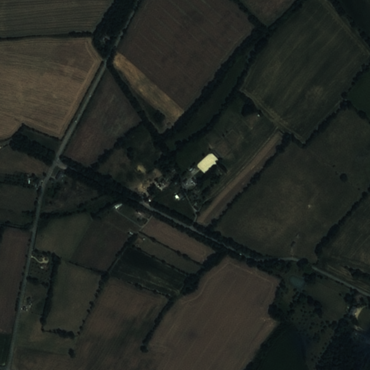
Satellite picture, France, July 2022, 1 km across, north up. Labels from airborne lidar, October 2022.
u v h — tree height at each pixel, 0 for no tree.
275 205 0
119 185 18
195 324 0
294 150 0
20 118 0
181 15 0
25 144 19
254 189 0
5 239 0
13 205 0
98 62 0
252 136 0
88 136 0
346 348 14
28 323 0
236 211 0
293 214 0
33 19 0
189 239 0
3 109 0
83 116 6
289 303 0
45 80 0
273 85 0
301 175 0
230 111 0
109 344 0
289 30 0
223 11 0
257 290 0
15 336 0
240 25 0
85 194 0
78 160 0
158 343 0
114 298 0
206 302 0
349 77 0
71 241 0
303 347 9
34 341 0
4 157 0
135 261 0
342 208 0
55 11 0
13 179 6
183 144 17
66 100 0
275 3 0
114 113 0
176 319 0
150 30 0
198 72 0
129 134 14
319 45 0
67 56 0
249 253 14
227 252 13
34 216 14
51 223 0
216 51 0
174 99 0
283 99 0
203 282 0
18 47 0
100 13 0
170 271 0
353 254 0
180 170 11
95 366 0
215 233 19
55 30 0
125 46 0
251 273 0
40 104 0
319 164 0
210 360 0
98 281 0
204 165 0
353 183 0
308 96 0
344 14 16
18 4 0
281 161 0
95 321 0
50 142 0
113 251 0
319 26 0
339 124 0
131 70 0
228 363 0
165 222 7
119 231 0
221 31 0
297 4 15
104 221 0
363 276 13
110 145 0
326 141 0
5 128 0
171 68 0
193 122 0
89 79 0
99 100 0
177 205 0
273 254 0
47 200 0
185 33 0
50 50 0
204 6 0
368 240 0
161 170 13
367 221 0
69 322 0
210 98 13
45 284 12
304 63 0
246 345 0
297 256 0
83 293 0
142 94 0
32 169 0
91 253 0
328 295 0
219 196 0
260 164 0
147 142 0
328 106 0
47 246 0
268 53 0
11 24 0
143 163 0
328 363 18
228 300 0
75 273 0
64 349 0
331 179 0
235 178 0
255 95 0
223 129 0
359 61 0
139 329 0
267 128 0
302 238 0
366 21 0
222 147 0
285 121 0
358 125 0
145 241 0
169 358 0
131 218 0
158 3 0
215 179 13
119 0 18
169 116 0
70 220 0
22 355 0
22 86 0
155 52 0
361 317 0
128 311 0
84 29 0
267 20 0
